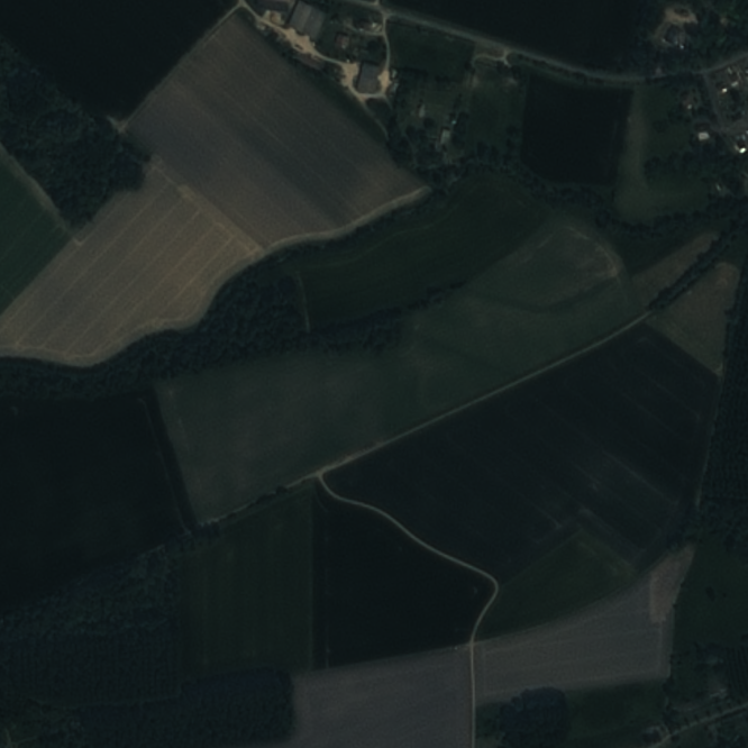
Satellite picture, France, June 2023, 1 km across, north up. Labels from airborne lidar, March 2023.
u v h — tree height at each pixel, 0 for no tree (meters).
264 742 0
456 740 0
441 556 0
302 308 0
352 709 0
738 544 21
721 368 0
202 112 0
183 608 0
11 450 0
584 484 0
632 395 0
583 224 0
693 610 0
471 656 0
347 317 0
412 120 0
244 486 0
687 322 0
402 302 0
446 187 8
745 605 0
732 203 18
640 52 21
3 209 0
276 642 0
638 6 0
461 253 0
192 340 17
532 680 0
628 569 0
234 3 0
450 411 0
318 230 0
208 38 0
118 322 0
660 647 0
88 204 9
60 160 9
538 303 0
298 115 0
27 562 0
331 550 0
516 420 0
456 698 0
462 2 0
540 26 0
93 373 10
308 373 0
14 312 0
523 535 0
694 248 0
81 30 0
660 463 0
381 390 0
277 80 0
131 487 0
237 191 0
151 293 0
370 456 0
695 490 0
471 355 0
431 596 0
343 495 0
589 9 0
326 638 0
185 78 0
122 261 0
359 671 0
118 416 0
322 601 0
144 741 36
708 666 18
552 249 0
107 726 35
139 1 0
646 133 0
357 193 0
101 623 25
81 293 0
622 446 0
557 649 0
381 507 0
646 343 0
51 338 0
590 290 0
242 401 0
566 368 0
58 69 0
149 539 0
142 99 0
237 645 0
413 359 0
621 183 0
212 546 0
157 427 0
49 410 0
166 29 0
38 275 0
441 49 0
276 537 0
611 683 0
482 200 0
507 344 0
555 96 0
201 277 0
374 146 0
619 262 0
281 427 0
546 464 0
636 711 0
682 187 0
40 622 19
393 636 0
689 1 24
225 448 0
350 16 0
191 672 0
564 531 0
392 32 0
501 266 0
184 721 37
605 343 0
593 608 0
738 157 11
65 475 0
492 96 0
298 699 0
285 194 0
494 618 0
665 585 0
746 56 0
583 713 0
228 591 0
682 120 11
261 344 20
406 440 0
